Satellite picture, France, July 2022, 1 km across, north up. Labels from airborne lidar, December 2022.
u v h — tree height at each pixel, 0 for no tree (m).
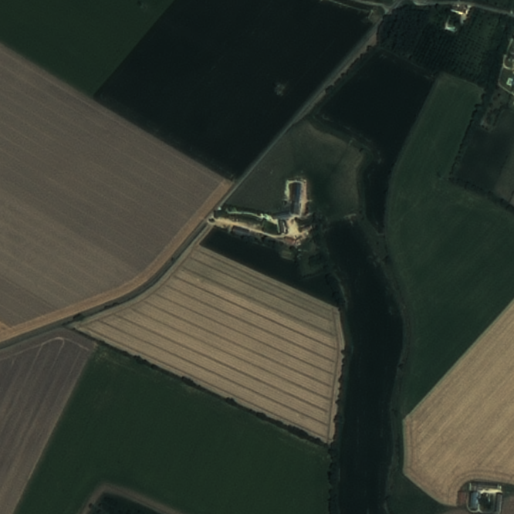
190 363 0
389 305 0
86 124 0
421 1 0
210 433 0
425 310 0
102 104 0
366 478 0
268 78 0
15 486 0
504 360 0
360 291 0
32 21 0
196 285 0
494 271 0
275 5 0
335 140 0
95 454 0
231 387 0
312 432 0
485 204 0
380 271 0
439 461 0
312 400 0
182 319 0
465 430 0
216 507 0
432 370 0
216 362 0
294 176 0
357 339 0
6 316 0
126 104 0
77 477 0
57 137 0
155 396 0
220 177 0
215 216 6
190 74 0
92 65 0
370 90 0
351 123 0
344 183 0
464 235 0
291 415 0
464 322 0
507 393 0
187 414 0
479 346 0
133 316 0
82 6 0
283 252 0
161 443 0
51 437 0
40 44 0
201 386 8
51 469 0
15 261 0
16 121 0
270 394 0
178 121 0
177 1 0
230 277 0
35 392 0
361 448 0
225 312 0
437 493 0
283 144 0
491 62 10
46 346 0
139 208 0
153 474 0
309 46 0
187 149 0
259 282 0
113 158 0
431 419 0
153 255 0
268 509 0
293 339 0
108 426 0
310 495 0
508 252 0
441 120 0
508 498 0
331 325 0
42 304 0
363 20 0
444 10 8
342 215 0
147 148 0
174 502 0
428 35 14
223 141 0
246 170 0
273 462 0
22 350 0
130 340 0
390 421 0
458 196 0
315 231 10
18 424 0
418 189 0
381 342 0
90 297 0
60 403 0
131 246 0
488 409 0
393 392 0
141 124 0
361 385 0
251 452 0
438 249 0
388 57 0
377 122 0
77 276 0
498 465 0
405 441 0
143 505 0
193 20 0
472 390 0
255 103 0
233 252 0
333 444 8
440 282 0
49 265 0
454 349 0
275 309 0
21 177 0
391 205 0
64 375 0
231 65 0
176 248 0
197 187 0
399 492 0
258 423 0
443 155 0
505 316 0
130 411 0
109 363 0
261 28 0
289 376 0
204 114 0
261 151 0
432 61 12
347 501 0
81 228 0
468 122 0
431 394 0
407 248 0
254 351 0
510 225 0
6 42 0
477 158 0
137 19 0
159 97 0
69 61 0
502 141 0
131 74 0
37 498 0
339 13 0
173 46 0
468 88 0
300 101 0
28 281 0
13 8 0
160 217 0
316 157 0
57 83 0
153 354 0
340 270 0
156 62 0
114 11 0
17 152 0
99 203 0
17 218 0
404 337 0
